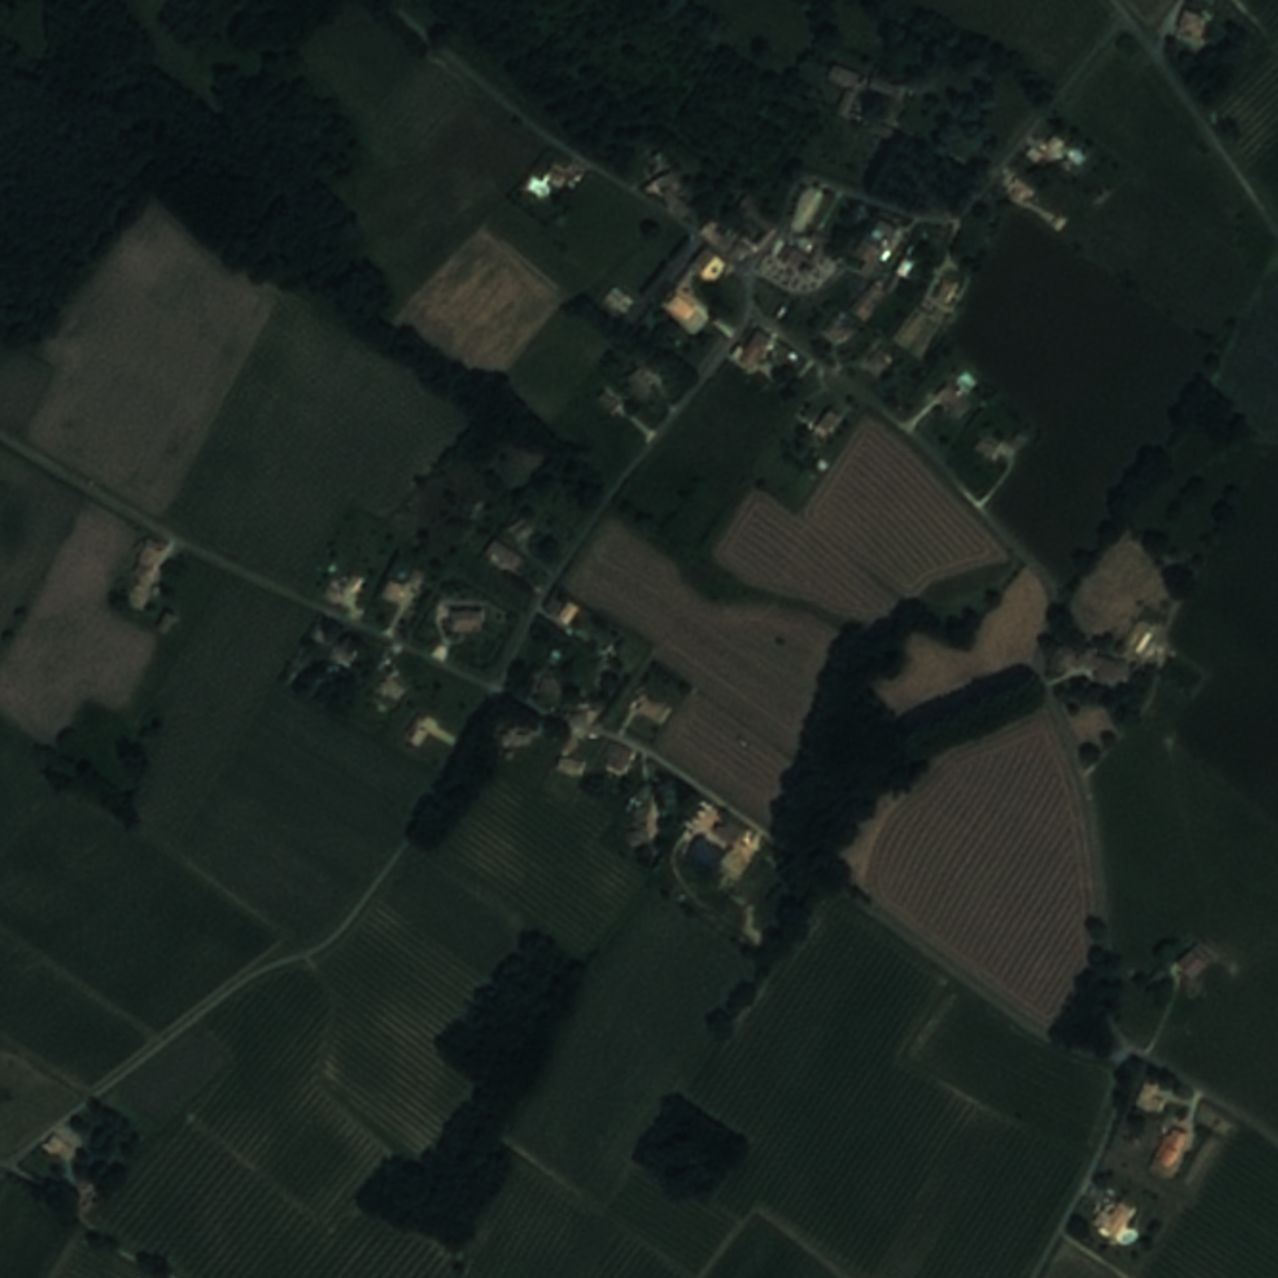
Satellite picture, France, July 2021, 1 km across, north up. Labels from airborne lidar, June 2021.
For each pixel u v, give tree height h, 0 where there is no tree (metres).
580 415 0
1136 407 0
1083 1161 0
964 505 0
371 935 0
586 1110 0
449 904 0
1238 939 0
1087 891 0
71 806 0
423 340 8
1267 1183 0
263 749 0
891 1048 0
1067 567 0
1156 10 0
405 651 0
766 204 7
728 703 0
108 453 0
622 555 0
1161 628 0
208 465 0
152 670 0
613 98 11
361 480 0
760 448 0
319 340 0
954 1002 0
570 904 0
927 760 17
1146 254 0
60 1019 0
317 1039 0
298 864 0
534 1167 0
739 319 0
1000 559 0
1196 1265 0
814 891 13
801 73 11
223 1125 0
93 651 0
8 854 0
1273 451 0
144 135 15
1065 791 0
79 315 0
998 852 0
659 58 7
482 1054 14
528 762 0
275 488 0
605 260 0
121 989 0
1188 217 0
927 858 0
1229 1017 0
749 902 0
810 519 0
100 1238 15
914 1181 0
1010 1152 0
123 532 0
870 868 0
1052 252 0
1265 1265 0
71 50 20
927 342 0
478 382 20
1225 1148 0
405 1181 17
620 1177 0
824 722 14
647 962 0
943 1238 0
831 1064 0
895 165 16
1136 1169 0
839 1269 0
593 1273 0
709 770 0
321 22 12
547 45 8
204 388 0
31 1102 0
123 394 0
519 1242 0
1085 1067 0
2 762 0
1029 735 0
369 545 0
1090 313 0
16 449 0
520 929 0
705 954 0
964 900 0
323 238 25
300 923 0
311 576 0
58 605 0
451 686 0
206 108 21
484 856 0
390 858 0
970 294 0
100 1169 11
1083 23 0
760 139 8
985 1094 0
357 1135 0
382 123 0
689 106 6
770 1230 0
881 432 0
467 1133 16
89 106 25
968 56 14
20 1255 0
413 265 0
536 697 6
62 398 0
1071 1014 12
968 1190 0
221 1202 0
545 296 0
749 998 14
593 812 0
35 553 0
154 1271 14
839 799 19
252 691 0
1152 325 0
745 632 0
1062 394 0
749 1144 12
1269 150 0
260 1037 0
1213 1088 0
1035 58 0
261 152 26
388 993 0
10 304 20
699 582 0
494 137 0
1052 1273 0
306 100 14
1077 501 0
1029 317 0
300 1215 0
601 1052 0
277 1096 0
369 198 0
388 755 0
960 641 17
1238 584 0
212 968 0
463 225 0
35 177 23
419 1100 0
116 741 0
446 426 0
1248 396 0
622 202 0
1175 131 0
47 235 25
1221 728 0
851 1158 0
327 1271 0
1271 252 0
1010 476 0
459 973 0
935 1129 0
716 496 0
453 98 0
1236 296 0
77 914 0
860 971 0
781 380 9
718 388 0
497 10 9
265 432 0
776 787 0
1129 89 0
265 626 0
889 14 12
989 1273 0
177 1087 0
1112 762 0
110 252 11
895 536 0
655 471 0
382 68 0
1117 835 0
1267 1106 0
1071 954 0
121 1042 0
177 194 18
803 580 0
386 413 0
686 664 0
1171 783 0
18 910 0
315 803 0
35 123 18
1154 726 0
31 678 0
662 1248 0
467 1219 22
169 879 0
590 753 0
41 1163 0
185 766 0
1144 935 0
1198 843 0
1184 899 0
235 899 0
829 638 0
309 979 0
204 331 0
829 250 12
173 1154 0
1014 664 0
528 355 0
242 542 0
